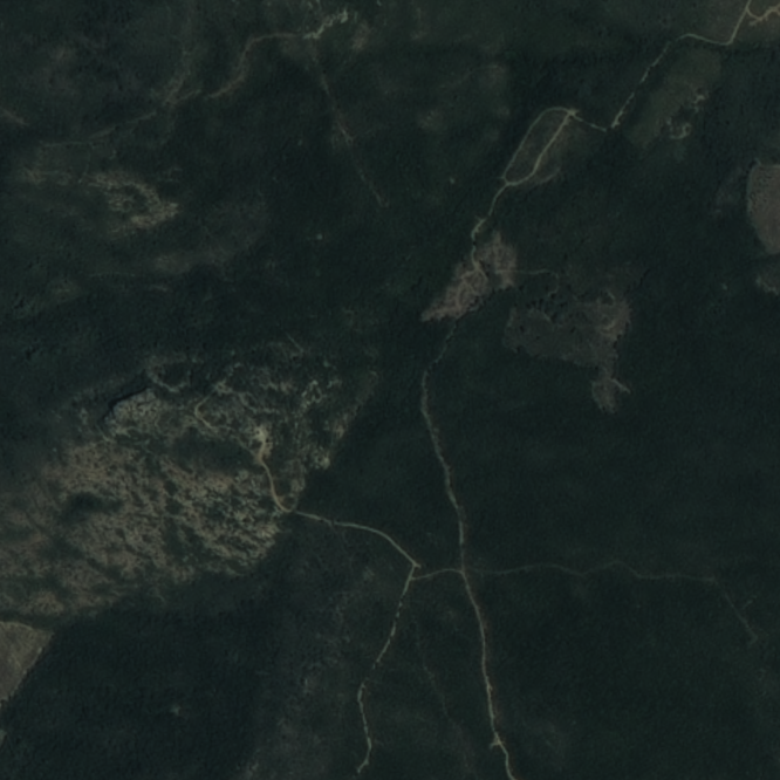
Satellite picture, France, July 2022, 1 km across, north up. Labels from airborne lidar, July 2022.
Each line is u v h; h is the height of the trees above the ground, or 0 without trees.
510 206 8
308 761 0
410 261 6
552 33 0
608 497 6
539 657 6
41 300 6
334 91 5
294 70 5
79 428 0
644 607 5
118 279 7
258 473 0
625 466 7
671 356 11
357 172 7
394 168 8
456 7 0
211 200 7
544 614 6
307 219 5
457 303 0
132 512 0
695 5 6
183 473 0
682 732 6
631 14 0
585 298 8
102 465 0
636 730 7
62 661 6
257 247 7
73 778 6
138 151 5
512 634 6
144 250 7
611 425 7
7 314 8
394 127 6
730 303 7
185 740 5
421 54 6
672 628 6
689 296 7
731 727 7
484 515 7
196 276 8
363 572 0
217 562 0
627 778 6
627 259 8
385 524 6
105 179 0
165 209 0
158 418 0
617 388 6
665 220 8
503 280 0
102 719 6
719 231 10
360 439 10
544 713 6
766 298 6
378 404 8
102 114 7
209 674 5
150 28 0
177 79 0
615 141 8
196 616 10
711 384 7
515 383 6
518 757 6
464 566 0
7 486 0
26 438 7
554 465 6
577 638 8
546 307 14
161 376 7
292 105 6
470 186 6
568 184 13
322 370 6
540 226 8
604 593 6
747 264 6
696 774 6
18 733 7
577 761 5
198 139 7
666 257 5
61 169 0
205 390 6
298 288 7
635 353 10
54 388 6
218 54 7
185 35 0
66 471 0
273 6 0
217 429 0
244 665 6
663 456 6
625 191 6
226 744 6
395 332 9
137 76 6
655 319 9
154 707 10
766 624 5
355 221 7
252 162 8
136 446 0
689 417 6
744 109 6
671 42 6
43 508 0
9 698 9
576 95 7
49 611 0
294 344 6
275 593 9
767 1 0
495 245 0
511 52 8
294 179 7
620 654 6
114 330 7
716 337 6
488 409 6
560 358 7
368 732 5
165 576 0
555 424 6
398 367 9
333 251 8
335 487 5
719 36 0
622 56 6
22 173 0
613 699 7
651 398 6
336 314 6
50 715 7
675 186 8
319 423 6
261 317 6
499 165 10
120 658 6
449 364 7
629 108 7
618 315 0
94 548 0
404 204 7
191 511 0
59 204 0
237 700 6
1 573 0
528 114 7
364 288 7
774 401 6
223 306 6
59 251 7
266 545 0
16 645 0
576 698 6
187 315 6
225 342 5
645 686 6
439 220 7
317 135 6
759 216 0
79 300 8
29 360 11
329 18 0
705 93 6
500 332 7
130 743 8
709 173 6
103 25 6
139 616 6
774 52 7
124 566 0
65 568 0
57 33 6
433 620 5
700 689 5
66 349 6
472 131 7
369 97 6
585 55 6
